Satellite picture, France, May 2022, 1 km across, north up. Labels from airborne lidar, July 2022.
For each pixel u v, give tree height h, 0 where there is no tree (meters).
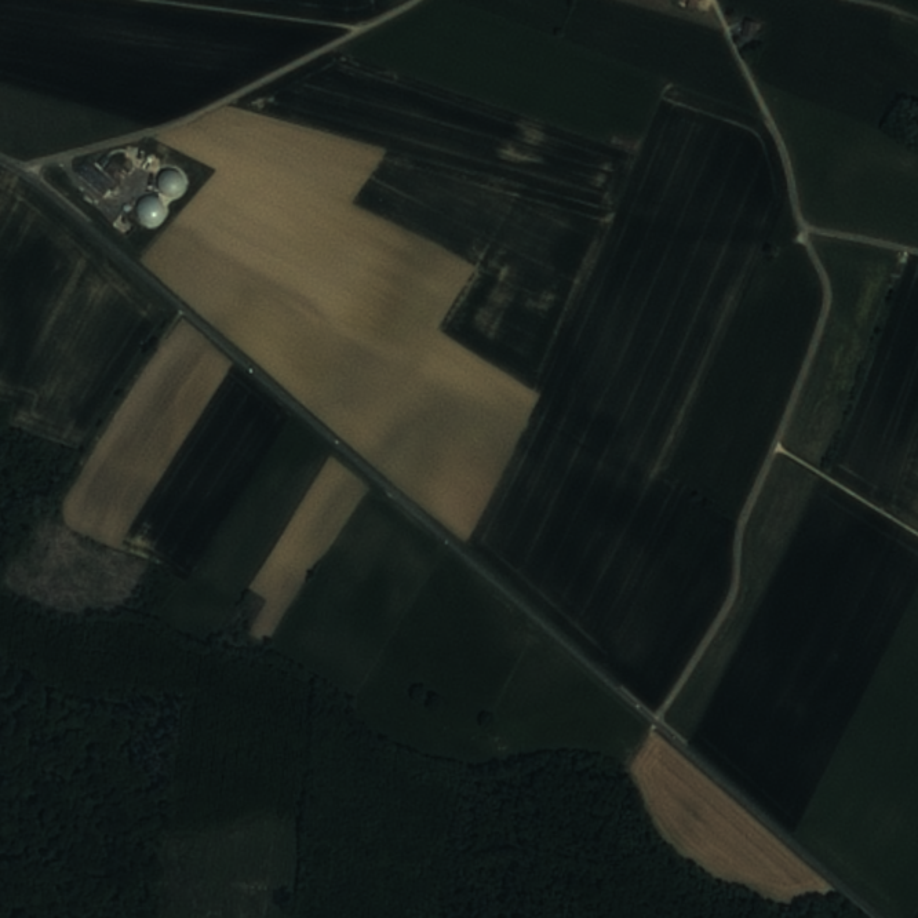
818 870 0
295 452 0
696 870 17
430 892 14
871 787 0
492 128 0
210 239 0
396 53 0
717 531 0
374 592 0
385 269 0
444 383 0
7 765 25
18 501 21
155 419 0
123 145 0
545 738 0
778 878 0
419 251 0
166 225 0
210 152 0
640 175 0
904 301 0
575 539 0
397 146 0
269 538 0
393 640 0
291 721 6
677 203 0
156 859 22
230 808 6
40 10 0
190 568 0
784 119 0
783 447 0
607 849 16
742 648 0
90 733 23
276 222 0
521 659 0
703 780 0
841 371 0
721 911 19
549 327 0
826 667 0
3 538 29
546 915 13
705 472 0
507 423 0
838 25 0
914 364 0
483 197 0
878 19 0
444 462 0
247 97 0
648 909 19
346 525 0
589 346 0
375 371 0
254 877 0
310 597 0
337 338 0
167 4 0
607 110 0
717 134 0
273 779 6
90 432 0
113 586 0
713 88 0
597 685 0
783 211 0
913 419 0
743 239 0
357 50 0
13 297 0
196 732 7
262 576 0
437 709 13
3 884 22
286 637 0
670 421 0
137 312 0
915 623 0
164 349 0
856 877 0
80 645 7
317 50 0
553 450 0
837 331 0
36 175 0
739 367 0
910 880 0
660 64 0
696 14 0
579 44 0
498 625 0
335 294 0
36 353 0
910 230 0
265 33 0
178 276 0
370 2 0
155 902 20
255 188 0
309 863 13
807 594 0
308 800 13
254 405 0
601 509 0
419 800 14
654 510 0
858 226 0
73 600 0
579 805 17
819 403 0
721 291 0
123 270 0
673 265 0
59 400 0
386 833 14
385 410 0
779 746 0
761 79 0
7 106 0
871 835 0
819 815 0
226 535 0
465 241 0
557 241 0
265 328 0
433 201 0
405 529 0
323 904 15
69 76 0
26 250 0
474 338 0
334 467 0
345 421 0
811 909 17
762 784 0
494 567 0
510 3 0
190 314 0
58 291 0
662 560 0
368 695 0
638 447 0
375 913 14
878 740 0
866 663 0
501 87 0
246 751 6
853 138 0
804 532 0
